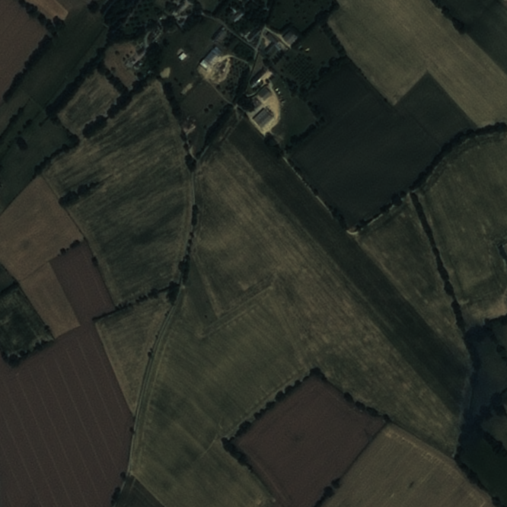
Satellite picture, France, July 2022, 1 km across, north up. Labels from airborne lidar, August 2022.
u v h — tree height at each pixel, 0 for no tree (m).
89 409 0
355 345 0
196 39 0
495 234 0
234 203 0
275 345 0
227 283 0
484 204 0
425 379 0
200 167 0
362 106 0
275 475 0
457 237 0
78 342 0
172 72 0
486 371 0
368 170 0
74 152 0
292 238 0
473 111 0
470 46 0
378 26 0
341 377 0
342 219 19
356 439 0
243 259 0
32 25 0
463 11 0
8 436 0
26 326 0
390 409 0
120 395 0
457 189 0
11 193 0
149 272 0
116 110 16
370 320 0
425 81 0
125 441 0
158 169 0
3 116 0
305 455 0
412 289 0
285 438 0
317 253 0
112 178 0
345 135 0
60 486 0
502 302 0
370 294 0
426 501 0
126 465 0
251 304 0
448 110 0
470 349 16
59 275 0
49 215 0
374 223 0
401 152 0
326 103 0
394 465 0
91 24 0
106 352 0
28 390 0
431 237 12
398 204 13
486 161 0
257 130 0
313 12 0
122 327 0
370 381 0
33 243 0
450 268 0
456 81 0
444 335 0
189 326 0
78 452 0
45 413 0
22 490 0
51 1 0
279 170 0
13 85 11
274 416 0
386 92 0
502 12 0
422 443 0
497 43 0
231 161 0
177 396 0
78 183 0
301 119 0
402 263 0
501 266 0
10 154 0
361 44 0
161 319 0
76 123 0
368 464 0
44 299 0
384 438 0
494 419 0
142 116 0
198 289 0
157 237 0
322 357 0
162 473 0
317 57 0
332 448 0
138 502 0
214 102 0
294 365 0
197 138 0
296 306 0
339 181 0
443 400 0
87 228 0
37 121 0
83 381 0
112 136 0
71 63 0
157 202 0
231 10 11
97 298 0
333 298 0
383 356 0
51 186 0
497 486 0
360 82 0
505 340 0
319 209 0
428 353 0
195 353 0
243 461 19
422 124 0
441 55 0
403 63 0
